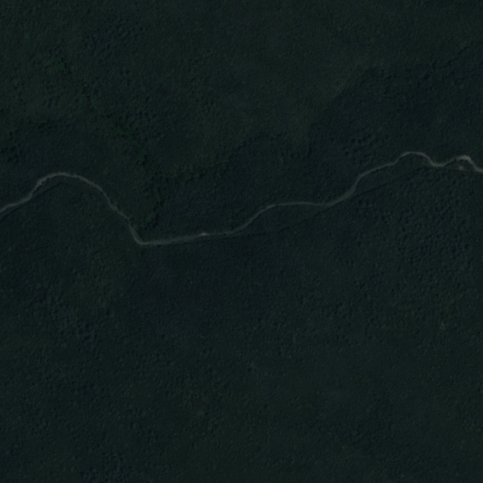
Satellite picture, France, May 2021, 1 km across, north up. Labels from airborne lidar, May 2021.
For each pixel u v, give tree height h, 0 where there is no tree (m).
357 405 10
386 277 6
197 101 16
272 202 10
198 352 10
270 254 7
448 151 11
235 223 8
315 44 6
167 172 10
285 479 7
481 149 11
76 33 10
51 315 17
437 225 9
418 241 7
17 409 8
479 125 10
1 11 5
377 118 6
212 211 11
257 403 8
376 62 8
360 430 14
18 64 7
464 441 8
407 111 13
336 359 5
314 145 11
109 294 15
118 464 14
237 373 7
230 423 7
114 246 8
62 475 7
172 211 13
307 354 6
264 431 8
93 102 8
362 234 14
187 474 7
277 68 6
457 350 8
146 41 8
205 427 8
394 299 7
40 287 8
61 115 10
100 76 13
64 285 8
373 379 7
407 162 10
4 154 17
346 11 8
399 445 9
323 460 8
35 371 8
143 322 11
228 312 9
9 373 7
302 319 7
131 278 12
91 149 10
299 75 6
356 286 11
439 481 8
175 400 6
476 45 9
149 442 11
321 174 10
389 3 10
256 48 6
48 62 14
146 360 9
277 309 8
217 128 7
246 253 12
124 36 9
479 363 6
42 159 9
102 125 15
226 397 11
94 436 7
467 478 7
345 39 11
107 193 9
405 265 8
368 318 8
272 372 5
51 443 11
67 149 11
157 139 20
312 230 9
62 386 12
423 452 9
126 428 7
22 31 8
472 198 11
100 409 7
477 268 7
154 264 10
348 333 5
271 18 9
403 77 16
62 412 7
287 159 19
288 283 8
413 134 11
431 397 7
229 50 6
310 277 11
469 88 11
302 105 9
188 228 11
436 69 19
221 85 9
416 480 10
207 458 6
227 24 5
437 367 7
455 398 9
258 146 12
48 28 14
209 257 7
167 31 8
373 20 8
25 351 6
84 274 10
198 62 16
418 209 9
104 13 9
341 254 11
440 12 16
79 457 12
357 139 6
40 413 15
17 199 14
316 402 6
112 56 18
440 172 15
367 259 8
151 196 11
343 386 6
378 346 8
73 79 11
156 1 7
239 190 11
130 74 18
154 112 12
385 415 8
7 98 8
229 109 7
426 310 8
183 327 8
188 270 12
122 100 13
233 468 6
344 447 13
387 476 7
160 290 12
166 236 13
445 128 14
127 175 11
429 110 11
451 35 10
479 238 6
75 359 9
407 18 11
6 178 7
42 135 13
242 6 5
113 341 10
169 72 8
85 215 7
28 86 10
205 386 8
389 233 11
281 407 7
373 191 8
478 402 7
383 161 10
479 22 7
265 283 6
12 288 9
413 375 7
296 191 12
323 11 9
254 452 12
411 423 6
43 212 8
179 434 6
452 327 8
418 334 9
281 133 8
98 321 9
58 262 11
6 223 8
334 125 10
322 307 6
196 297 11
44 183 7
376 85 14
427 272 11
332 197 12
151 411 7
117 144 11
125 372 7
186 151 10
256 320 11
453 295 9
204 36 12
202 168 14
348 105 9
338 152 7
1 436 8
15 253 8
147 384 8
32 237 8
